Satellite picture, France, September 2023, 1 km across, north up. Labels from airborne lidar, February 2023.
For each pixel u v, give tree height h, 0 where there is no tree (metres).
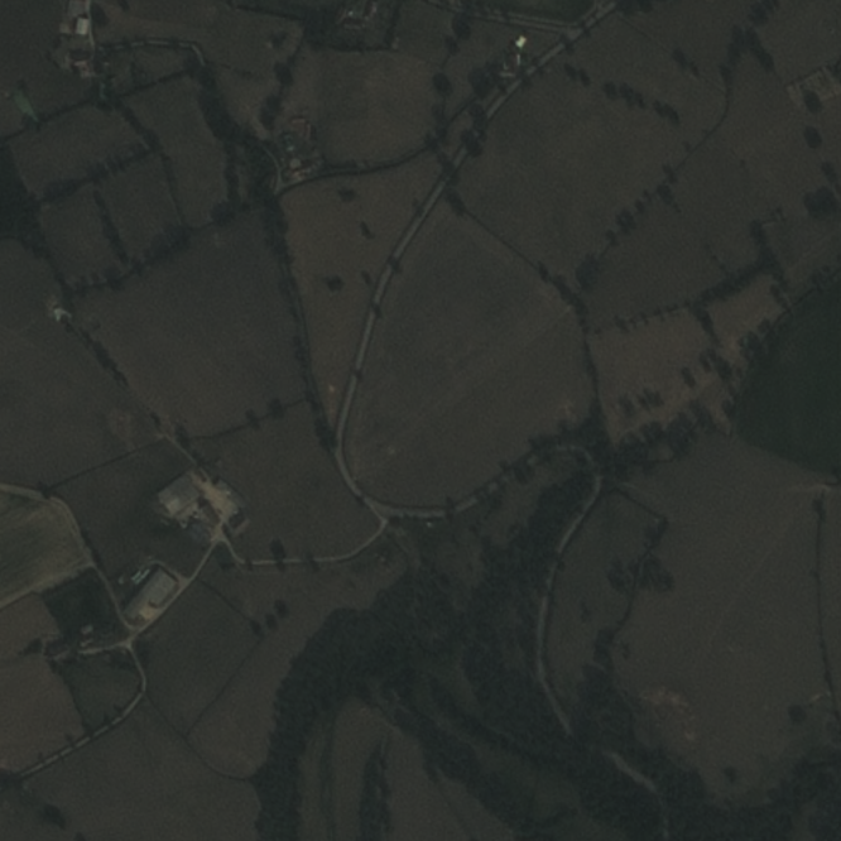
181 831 0
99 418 0
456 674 0
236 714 0
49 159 0
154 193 0
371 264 0
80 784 0
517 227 0
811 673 0
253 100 0
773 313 0
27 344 0
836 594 0
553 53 0
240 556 0
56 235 0
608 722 15
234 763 0
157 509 0
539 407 0
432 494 0
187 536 0
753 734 0
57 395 0
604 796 25
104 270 0
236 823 0
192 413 0
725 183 0
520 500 0
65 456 0
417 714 9
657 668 0
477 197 0
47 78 0
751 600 0
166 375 0
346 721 0
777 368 0
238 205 14
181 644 0
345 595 0
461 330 0
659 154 0
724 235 0
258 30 0
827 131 0
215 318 0
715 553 0
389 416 0
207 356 0
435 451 0
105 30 0
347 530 0
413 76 0
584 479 9
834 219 0
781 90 0
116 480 0
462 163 0
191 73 15
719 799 0
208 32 0
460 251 0
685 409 0
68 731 0
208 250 0
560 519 14
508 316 0
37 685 0
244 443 0
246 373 0
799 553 0
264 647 0
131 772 0
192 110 0
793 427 0
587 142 0
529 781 0
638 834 25
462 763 18
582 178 0
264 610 0
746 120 0
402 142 0
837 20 0
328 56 0
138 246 0
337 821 0
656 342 0
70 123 0
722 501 0
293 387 0
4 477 0
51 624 0
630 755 14
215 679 0
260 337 0
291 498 0
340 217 0
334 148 0
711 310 0
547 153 0
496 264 0
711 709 0
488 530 0
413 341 0
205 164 0
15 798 0
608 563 0
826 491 0
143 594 0
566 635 0
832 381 0
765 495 0
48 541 0
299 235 0
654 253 0
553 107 0
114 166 13
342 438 0
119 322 0
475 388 0
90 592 0
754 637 0
